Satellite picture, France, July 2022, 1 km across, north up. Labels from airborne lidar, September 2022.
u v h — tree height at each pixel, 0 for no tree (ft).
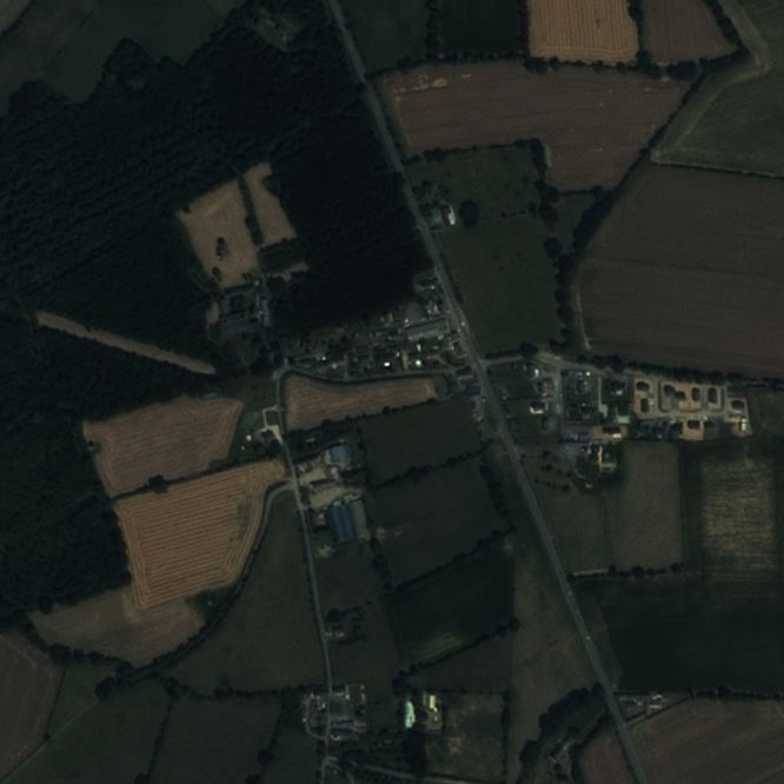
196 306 34
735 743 0
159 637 0
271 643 0
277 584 0
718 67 33
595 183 0
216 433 0
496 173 0
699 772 0
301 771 0
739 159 0
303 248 29
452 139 0
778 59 0
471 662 0
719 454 0
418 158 34
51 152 57
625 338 0
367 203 65
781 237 0
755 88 0
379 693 0
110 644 0
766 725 0
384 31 0
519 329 0
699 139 0
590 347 0
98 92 39
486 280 0
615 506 0
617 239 0
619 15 0
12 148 62
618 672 0
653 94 0
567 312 45
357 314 43
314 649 0
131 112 30
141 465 0
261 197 0
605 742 0
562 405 0
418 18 0
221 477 0
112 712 0
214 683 0
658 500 0
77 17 0
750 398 0
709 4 49
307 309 54
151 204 53
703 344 0
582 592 0
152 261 45
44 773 0
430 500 0
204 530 0
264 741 0
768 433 0
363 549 0
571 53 0
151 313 47
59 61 0
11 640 0
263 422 0
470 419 0
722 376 43
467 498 0
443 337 0
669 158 0
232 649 0
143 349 0
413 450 0
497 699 0
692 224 0
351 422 40
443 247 0
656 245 0
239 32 51
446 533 0
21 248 44
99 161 57
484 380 0
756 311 0
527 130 0
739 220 0
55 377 36
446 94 0
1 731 0
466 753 0
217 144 54
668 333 0
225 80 66
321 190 57
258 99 61
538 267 0
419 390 0
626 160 0
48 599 43
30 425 52
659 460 0
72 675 0
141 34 0
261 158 42
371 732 23
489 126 0
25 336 49
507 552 0
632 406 0
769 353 0
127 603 0
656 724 0
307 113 52
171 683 17
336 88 57
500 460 0
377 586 0
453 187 0
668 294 0
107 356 37
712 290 0
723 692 55
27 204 64
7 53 0
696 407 0
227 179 37
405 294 41
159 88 66
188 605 0
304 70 43
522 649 0
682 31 0
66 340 46
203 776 0
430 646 0
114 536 73
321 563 0
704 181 0
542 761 0
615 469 0
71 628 0
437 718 0
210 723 0
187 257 29
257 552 23
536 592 0
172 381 50
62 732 0
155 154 57
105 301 47
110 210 59
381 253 47
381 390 0
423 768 91
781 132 0
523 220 0
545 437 0
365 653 0
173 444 0
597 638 0
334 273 56
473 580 0
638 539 0
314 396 0
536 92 0
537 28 0
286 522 0
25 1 0
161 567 0
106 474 0
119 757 0
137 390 45
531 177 0
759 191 0
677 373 55
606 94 0
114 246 44
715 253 0
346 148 63
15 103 60
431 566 0
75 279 48
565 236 0
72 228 56
